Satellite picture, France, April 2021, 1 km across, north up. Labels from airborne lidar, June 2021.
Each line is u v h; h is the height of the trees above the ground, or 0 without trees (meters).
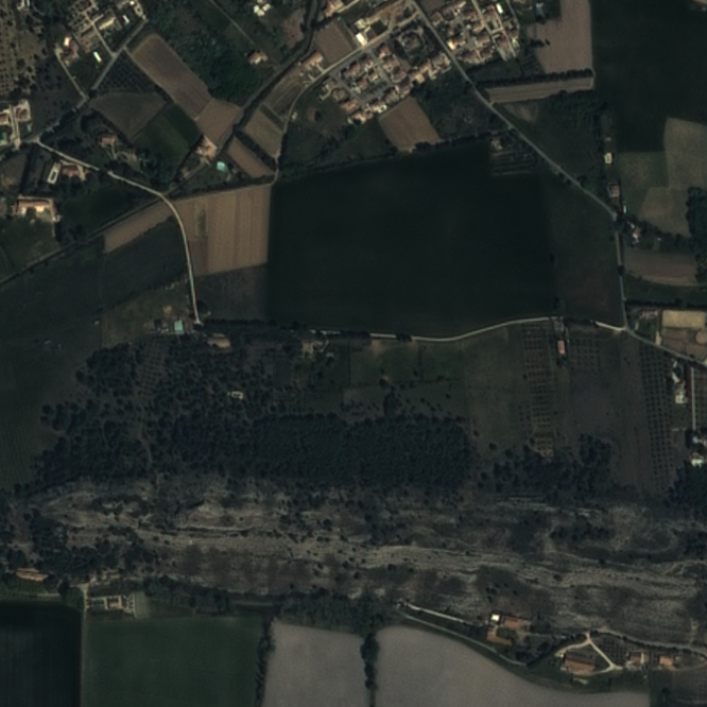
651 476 0
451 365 0
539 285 0
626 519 0
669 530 0
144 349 10
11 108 0
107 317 0
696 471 12
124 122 0
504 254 0
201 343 11
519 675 0
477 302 0
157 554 6
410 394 0
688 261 0
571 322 10
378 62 0
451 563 0
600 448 11
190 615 0
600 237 0
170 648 0
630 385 0
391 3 0
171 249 0
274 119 0
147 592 7
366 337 14
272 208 0
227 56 12
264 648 7
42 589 19
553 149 0
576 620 0
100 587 7
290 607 28
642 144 0
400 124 0
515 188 0
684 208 0
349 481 15
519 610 0
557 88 0
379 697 0
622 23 0
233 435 13
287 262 0
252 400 11
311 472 14
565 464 7
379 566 0
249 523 0
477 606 0
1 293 0
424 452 14
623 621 0
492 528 0
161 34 5
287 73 6
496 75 0
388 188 0
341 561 0
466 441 12
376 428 15
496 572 0
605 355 0
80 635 0
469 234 0
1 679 0
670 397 7
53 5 9
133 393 9
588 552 0
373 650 18
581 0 0
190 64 12
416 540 0
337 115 0
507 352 0
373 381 0
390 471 16
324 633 0
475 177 0
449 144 10
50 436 0
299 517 8
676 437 0
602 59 0
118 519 9
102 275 0
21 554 12
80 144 16
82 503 0
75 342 0
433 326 0
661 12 0
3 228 0
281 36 9
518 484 11
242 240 0
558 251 0
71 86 0
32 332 0
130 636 0
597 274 0
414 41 0
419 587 0
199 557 0
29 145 10
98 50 0
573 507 0
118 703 0
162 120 0
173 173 24
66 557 10
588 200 0
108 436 12
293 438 15
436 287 0
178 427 9
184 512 0
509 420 0
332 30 0
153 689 0
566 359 9
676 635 0
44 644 0
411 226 0
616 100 0
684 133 0
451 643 0
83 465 8
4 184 0
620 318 0
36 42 0
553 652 11
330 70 0
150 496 0
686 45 0
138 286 0
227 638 0
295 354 16
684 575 0
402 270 0
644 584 0
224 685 0
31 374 0
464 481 13
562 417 0
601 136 13
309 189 0
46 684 0
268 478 10
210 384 8
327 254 0
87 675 0
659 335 0
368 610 26
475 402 0
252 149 12
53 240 0
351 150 0
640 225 9
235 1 7
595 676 0
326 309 0
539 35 0
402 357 0
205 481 0
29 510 0
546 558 0
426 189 0
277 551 0
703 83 0
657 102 0
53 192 13
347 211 0
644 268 0
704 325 0
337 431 14
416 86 13
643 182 0
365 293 0
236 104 6
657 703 0
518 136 10
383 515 0
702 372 9
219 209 0
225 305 0
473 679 0
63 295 0
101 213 0
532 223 0
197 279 0
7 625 0
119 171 20
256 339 14
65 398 0
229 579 0
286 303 0
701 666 0
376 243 0
